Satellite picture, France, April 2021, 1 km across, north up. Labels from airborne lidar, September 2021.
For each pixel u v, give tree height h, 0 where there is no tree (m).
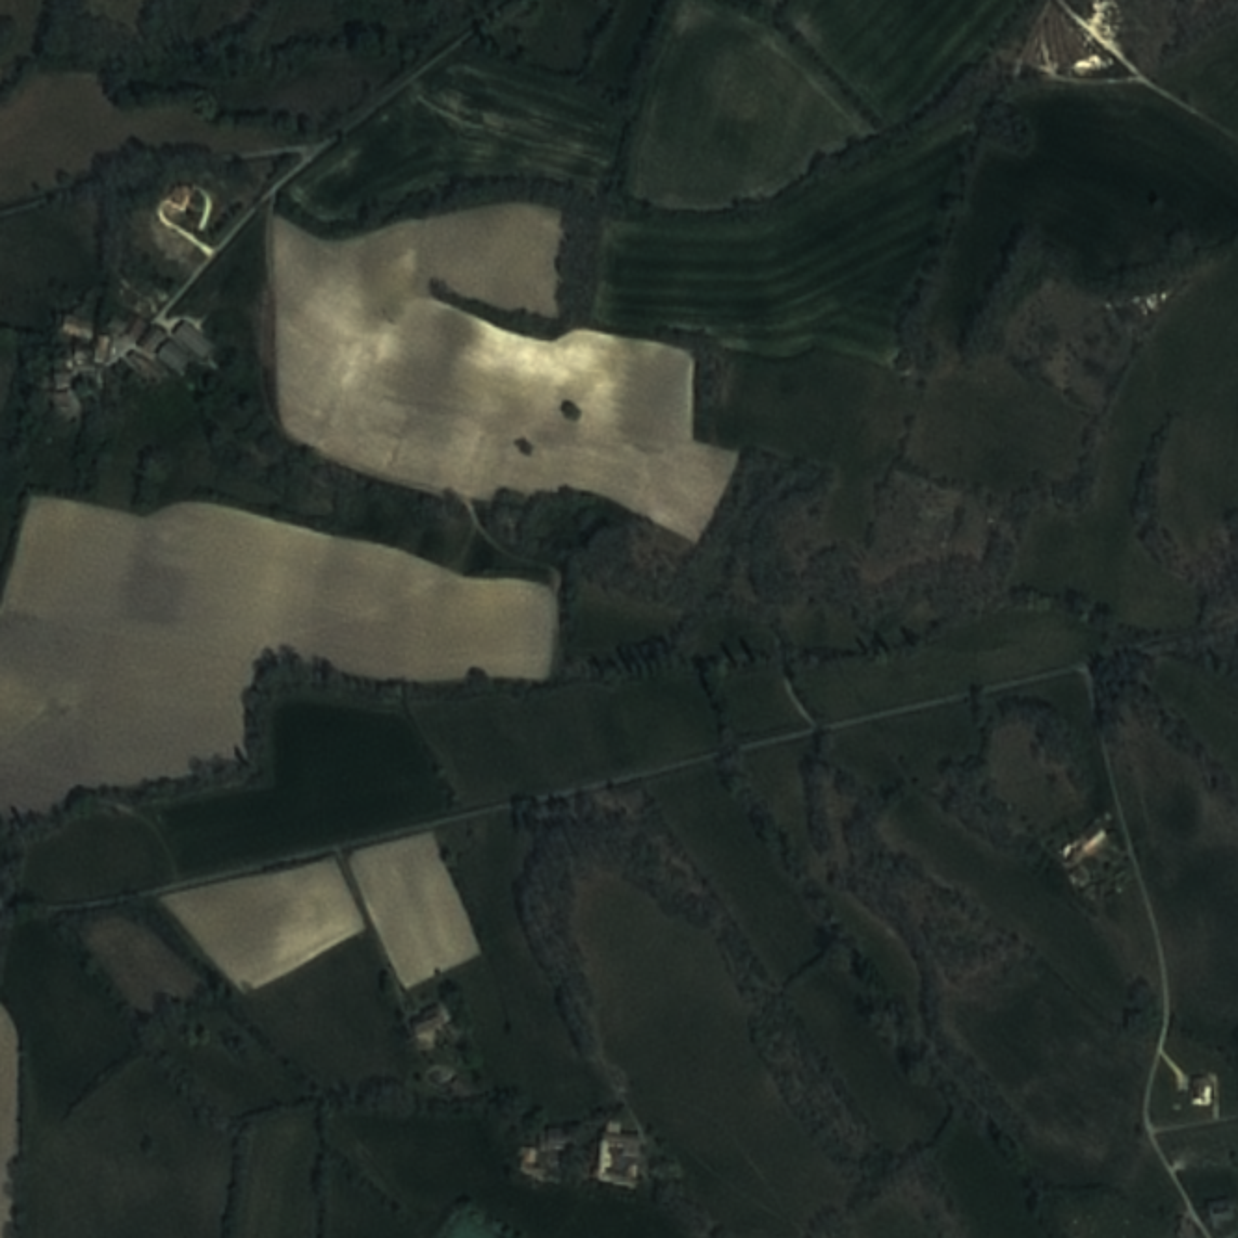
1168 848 0
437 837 0
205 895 0
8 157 0
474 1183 0
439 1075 0
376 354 0
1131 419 0
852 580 14
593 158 0
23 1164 8
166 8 16
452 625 0
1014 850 17
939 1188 12
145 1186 0
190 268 0
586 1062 17
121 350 0
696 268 0
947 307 0
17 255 0
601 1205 0
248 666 0
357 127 0
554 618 0
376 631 0
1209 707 0
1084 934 0
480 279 0
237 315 0
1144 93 0
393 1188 0
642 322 0
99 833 0
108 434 12
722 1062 0
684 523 0
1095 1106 0
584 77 7
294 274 0
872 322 0
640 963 0
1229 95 0
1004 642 0
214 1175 0
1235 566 11
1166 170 0
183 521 0
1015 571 16
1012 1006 0
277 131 10
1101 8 0
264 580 0
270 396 0
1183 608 0
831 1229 16
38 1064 0
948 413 0
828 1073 6
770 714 0
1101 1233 0
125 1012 11
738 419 0
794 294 0
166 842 0
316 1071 0
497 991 0
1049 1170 0
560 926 13
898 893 13
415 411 0
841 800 13
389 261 0
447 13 18
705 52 0
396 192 0
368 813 0
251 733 15
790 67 0
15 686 0
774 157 0
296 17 0
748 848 0
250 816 0
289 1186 0
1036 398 0
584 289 13
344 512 7
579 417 11
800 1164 0
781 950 0
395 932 0
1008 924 0
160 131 0
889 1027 30
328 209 0
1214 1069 0
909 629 0
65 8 17
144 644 0
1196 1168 0
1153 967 0
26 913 20
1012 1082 0
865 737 0
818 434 0
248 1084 0
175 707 0
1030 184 0
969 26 0
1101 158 0
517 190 14
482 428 0
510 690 6
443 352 0
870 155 16
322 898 0
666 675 29
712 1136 0
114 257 15
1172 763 0
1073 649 0
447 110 0
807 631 0
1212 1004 0
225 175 10
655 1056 0
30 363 10
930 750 0
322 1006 0
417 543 0
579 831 13
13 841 15
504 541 13
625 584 17
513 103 0
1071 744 24
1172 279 14
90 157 0
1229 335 0
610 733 0
